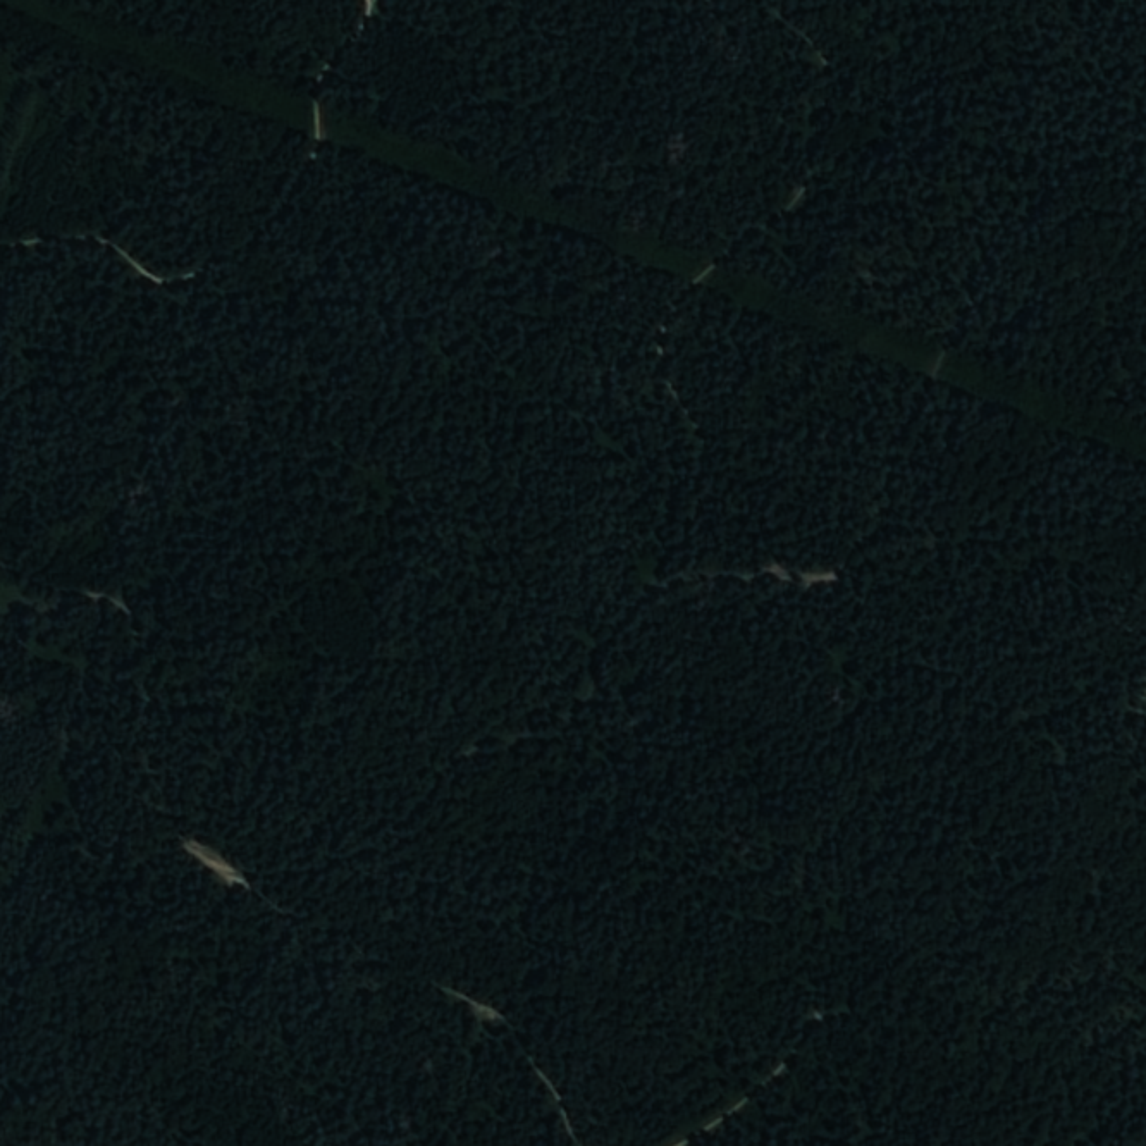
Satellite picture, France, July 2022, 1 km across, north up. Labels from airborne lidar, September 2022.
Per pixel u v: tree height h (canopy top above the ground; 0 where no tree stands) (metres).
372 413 18
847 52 20
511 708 25
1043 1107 26
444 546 36
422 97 24
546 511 23
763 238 28
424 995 25
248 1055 8
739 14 24
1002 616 14
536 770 24
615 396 26
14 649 18
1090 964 20
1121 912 17
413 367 18
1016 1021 23
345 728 22
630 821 15
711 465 23
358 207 22
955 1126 16
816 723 25
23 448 36
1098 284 19
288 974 33
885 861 29
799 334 10
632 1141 18
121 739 30
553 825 23
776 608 16
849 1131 17
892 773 26
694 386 21
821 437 28
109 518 7
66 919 38
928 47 30
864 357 6
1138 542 28
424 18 36
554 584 22
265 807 27
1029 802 24
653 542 13
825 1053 16
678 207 16
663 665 28
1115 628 18
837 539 17
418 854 21
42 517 23
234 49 15
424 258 31
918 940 22
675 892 19
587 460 20
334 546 16
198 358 22
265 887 9
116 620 29
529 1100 16
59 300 32
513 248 16
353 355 27
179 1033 24
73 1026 28
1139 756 16
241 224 26
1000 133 32
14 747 32
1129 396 31
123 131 26
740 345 13
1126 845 20
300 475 14
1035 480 30
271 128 26
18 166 8
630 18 22
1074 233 26
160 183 6
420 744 28
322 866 26
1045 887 23
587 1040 22
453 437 27
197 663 22
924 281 31
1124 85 32
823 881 21
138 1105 28
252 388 8
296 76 7
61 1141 14
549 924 21
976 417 32
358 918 27
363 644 18
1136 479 31
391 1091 30
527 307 28
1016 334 38
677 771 23
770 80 17
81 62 15
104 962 30
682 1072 9
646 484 24
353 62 27
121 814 30
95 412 31
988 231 36
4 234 11
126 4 17
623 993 22
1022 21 25
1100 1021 23
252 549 26
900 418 29
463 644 19
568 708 19
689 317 14
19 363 33
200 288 27
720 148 16
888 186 20
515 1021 21
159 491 13
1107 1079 15
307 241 28
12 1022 32
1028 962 21
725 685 21
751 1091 21
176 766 26
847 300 20
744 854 32
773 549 25
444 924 24
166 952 29
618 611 29
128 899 12
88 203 7
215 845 23
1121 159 31
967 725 20
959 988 23
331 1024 15
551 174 25
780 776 24
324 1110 13
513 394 20
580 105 22
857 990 17
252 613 25
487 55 34
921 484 15
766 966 15
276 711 9
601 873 7
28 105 34
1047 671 16
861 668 26
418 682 26
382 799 26
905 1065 20
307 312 27
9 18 14
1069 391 24
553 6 25
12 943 32
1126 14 36
